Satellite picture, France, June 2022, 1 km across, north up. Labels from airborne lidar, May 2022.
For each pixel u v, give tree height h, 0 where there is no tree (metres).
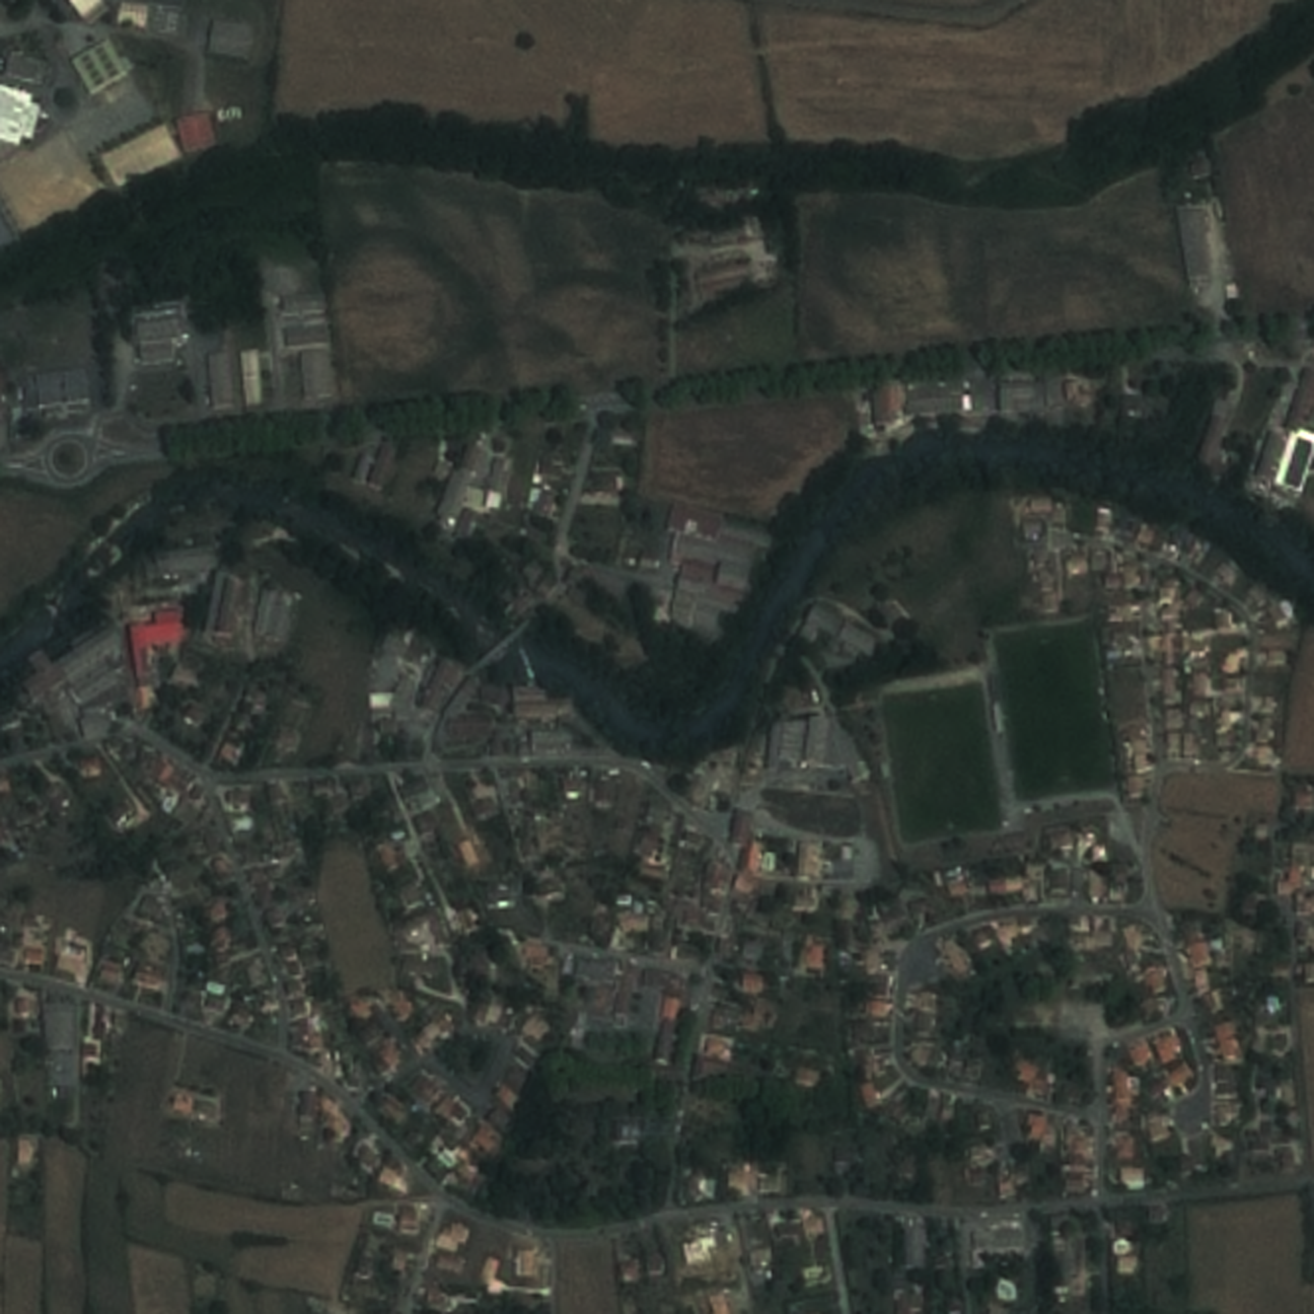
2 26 0
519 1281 0
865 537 30
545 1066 17
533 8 0
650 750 19
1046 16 0
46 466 0
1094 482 25
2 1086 0
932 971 0
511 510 0
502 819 7
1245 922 11
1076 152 12
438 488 7
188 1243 0
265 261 0
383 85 0
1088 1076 8
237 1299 0
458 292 0
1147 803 8
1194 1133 0
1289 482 0
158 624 0
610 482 0
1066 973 23
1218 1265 0
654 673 13
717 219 12
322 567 11
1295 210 0
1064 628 0
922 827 0
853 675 15
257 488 10
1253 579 9
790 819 0
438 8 0
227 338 0
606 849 6
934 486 32
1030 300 0
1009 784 0
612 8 0
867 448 13
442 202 0
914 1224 0
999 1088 0
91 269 6
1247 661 0
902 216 0
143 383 0
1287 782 6
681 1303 0
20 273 17
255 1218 0
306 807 0
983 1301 7
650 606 12
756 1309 0
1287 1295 0
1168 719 0
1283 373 10
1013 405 0
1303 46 7
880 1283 9
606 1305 0
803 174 17
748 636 11
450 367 0
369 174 0
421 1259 0
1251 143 0
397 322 0
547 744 0
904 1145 9
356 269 0
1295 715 0
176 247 6
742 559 0
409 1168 0
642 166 11
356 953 0
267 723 9
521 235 0
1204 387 10
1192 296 0
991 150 0
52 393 0
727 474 0
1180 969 0
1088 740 0
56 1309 0
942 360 24
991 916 0
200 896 0
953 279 0
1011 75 0
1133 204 0
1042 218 0
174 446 20
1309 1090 0
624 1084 15
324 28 0
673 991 0
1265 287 0
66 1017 0
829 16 0
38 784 10
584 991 12
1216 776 0
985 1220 0
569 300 0
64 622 16
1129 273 0
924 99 0
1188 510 12
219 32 0
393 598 24
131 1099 0
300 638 0
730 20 0
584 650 14
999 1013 18
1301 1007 0
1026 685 0
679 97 0
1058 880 0
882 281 0
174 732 15
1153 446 14
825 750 0
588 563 11
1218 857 0
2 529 0
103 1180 0
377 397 0
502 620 17
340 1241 0
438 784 0
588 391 0
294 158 10
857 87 0
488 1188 6
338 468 13
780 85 0
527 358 0
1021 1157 15
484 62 0
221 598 0
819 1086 9
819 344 0
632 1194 7
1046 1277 13
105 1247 0
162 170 8
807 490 11
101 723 0
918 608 0
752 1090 19
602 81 0
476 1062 14
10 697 22
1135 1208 5
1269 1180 0
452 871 0
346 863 0
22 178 0
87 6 0
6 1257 0
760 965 10
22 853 7
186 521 0
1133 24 0
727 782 0
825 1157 0
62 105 9
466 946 7
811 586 8
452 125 19
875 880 0
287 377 0
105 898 0
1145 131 12
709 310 9
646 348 0
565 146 17
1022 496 0
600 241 0
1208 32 0
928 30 0
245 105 0
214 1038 0
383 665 0
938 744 0
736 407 17
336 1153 0
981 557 0
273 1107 0
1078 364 23
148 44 0
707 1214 0
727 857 0
